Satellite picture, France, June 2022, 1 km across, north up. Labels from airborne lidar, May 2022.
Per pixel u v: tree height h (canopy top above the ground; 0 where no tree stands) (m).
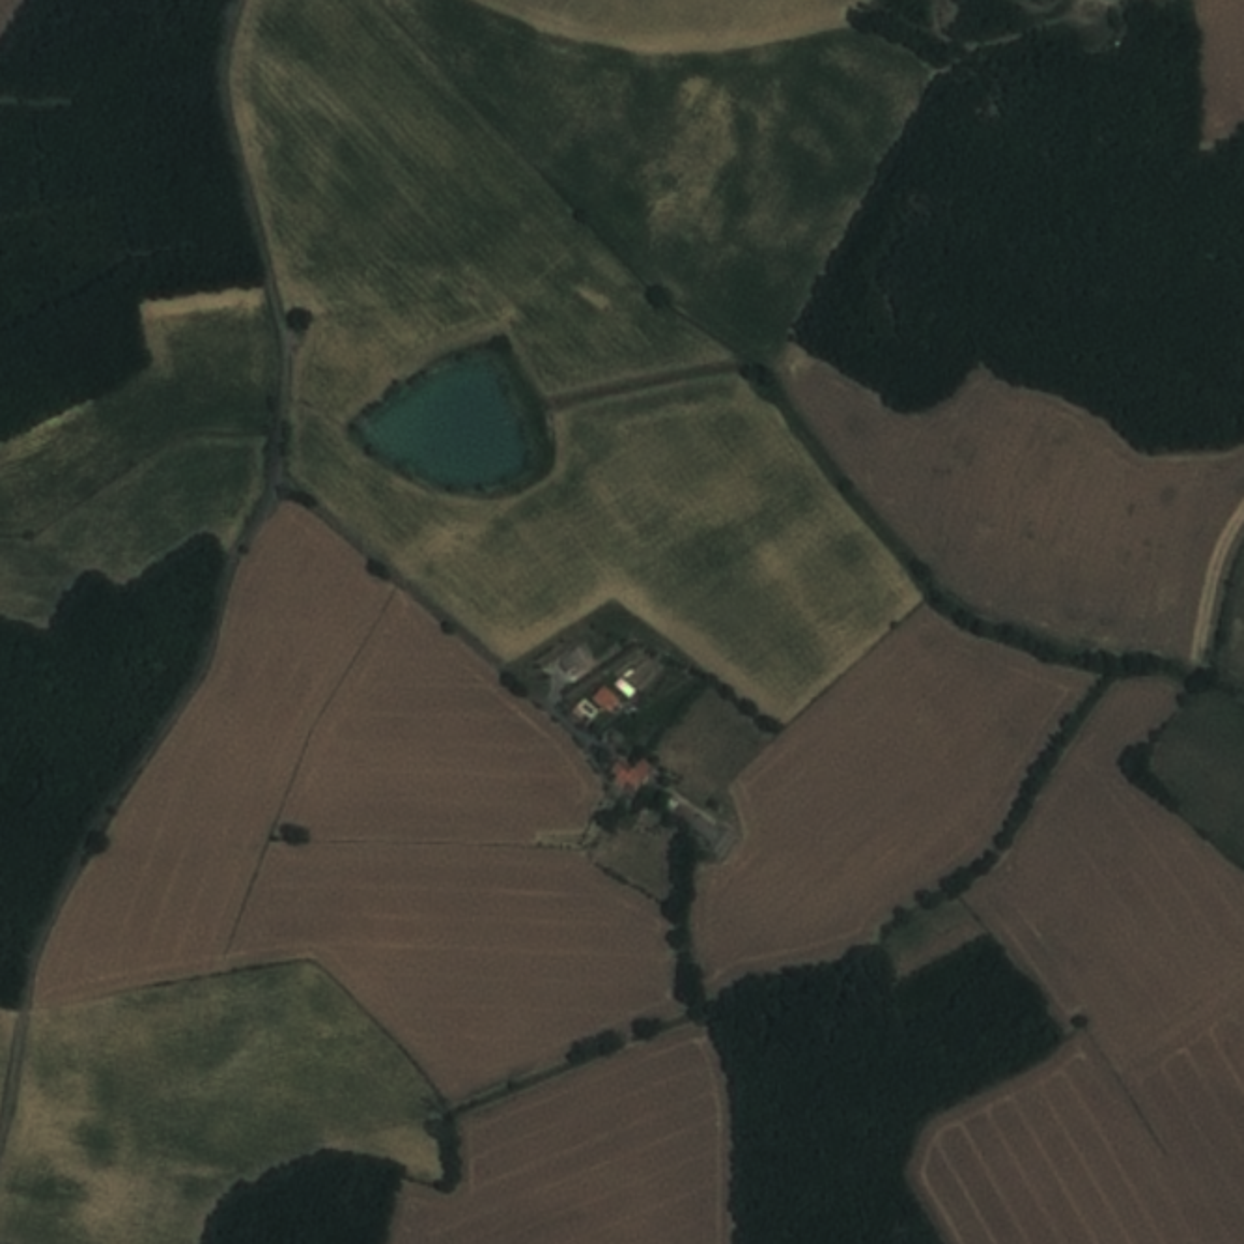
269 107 0
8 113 16
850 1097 19
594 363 0
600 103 0
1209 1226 0
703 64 0
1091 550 0
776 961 0
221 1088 0
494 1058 0
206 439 0
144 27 14
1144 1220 0
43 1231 0
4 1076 0
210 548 17
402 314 0
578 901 0
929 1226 9
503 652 0
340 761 0
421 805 0
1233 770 0
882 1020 19
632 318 0
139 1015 0
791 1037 23
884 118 0
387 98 0
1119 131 16
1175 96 12
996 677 0
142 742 15
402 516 0
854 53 0
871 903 0
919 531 0
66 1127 0
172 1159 0
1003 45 6
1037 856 0
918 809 0
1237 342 15
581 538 0
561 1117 0
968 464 0
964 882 16
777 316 0
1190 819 0
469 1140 0
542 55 0
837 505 0
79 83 16
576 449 0
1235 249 15
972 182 14
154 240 16
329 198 0
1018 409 0
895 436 0
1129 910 0
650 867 0
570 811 0
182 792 0
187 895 0
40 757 14
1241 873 0
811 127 0
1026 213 16
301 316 17
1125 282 15
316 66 0
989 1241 0
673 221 0
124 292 17
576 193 0
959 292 16
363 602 0
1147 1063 0
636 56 0
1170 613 0
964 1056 15
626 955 0
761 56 0
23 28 18
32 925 12
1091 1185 0
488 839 0
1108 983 0
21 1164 0
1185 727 0
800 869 0
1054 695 0
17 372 15
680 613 0
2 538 0
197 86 15
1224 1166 0
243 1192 18
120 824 0
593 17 0
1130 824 0
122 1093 0
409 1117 0
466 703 0
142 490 0
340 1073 0
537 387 0
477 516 0
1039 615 0
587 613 0
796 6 0
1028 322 16
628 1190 0
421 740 0
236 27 0
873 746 0
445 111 0
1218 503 0
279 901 0
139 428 0
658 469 0
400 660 0
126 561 0
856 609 0
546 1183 0
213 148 15
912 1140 9
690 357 0
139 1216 0
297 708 0
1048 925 0
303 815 0
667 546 0
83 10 18
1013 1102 0
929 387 16
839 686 0
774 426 0
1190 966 0
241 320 0
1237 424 10
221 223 14
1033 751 0
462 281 0
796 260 0
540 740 0
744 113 0
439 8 0
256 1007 0
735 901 0
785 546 0
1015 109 14
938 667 0
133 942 0
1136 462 0
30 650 14
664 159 0
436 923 0
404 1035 0
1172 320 14
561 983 0
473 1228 0
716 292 0
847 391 0
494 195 0
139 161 16
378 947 0
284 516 0
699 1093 0
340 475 0
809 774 0
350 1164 19
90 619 18
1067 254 16
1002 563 0
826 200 0
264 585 0
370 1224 16
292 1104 0
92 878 0
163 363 0
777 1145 14
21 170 15
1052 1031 13
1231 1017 0
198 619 17
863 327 11
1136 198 14
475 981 0
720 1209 0
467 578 0
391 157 0
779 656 0
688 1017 8
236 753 0
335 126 0
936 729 0
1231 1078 0
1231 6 0
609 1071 0
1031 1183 0
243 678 0
